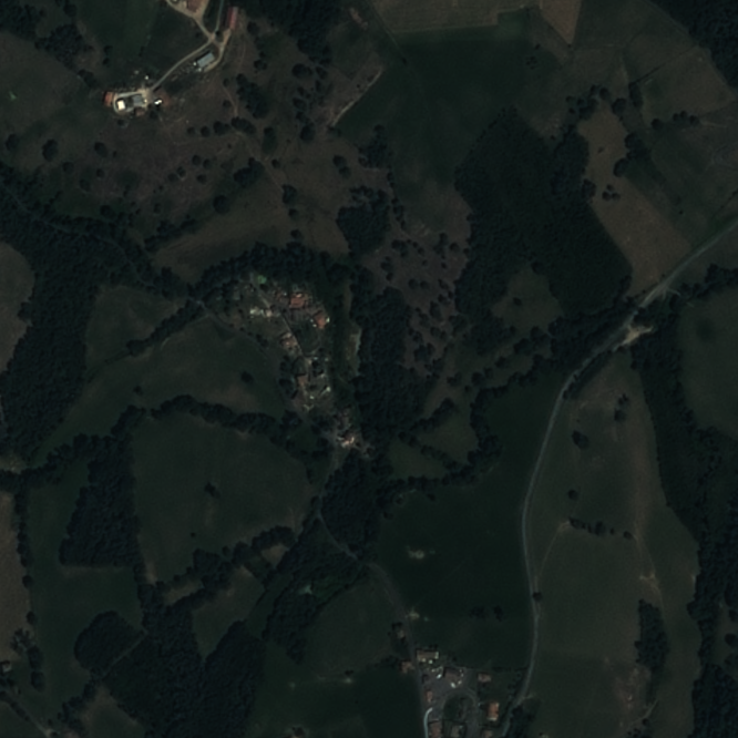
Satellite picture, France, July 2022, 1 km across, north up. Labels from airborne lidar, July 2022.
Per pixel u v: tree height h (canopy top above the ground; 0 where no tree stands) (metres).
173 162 0
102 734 0
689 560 0
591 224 10
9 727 0
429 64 0
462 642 0
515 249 15
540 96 0
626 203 0
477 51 0
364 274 14
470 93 0
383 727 0
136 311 0
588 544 0
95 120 0
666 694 0
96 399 0
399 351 13
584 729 0
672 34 0
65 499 0
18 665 0
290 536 22
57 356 16
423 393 7
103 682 6
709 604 15
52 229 20
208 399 0
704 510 24
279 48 0
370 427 13
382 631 0
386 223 13
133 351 18
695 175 0
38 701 0
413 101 0
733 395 0
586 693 0
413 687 0
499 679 0
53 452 0
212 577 12
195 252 0
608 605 0
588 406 0
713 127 0
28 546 18
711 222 0
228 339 0
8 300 0
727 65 16
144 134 0
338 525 12
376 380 9
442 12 0
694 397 0
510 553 0
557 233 10
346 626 0
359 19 0
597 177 0
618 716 0
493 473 0
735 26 21
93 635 16
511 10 0
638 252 0
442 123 0
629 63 0
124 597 0
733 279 19
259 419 13
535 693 0
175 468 0
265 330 0
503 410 0
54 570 0
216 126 13
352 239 17
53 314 17
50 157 13
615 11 0
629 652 0
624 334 0
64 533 0
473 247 12
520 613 0
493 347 25
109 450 23
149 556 0
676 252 0
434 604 0
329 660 0
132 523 20
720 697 20
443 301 16
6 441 12
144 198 0
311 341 0
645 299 0
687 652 0
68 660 0
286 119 0
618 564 0
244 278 14
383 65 0
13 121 0
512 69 0
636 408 0
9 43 0
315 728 0
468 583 0
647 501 0
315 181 0
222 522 0
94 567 14
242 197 0
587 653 0
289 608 7
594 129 0
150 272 24
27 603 0
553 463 0
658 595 0
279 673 0
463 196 9
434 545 0
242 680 19
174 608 14
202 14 0
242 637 16
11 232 12
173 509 0
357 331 0
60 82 0
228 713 21
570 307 7
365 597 0
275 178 0
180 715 16
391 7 0
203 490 0
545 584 0
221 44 0
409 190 0
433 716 0
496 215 12
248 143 0
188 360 0
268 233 0
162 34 0
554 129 0
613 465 0
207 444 0
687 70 0
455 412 31
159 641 15
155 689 6
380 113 0
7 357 0
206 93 0
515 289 0
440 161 0
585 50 0
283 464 0
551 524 0
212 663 20
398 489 19
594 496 0
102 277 5
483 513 0
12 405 17
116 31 0
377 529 15
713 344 0
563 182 24
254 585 0
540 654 0
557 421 0
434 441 0
